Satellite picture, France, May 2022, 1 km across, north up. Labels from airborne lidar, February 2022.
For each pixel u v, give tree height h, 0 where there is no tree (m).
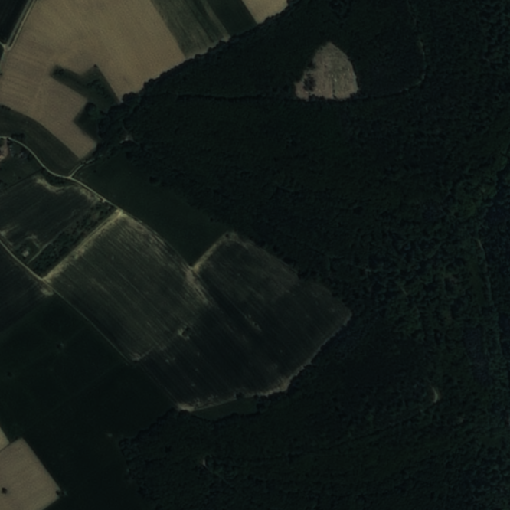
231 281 0
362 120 15
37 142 0
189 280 0
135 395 0
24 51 0
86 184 0
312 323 0
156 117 22
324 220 21
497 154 24
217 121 20
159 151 20
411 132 14
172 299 0
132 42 0
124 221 0
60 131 0
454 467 15
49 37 0
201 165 23
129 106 16
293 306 0
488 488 30
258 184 20
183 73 16
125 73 0
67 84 0
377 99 14
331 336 0
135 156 22
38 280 0
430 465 21
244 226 16
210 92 16
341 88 0
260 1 0
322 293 0
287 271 0
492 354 24
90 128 0
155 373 0
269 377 0
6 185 6
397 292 28
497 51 28
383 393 17
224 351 0
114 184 0
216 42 0
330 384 14
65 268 0
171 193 0
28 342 0
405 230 21
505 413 36
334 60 0
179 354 0
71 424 0
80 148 0
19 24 0
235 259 0
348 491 17
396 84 14
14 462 0
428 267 30
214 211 18
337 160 19
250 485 19
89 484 0
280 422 14
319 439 18
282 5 0
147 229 0
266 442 15
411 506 12
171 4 0
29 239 0
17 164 0
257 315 0
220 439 17
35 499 0
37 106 0
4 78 0
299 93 0
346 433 18
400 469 21
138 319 0
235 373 0
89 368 0
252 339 0
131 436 0
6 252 0
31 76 0
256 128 17
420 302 26
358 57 24
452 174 12
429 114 13
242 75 16
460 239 33
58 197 0
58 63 0
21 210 0
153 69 0
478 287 0
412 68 16
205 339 0
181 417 15
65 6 0
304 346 0
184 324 0
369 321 26
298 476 28
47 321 0
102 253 0
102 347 0
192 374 0
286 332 0
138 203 0
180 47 0
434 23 15
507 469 29
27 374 0
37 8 0
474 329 30
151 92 19
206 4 0
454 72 18
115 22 0
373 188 18
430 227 21
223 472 14
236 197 20
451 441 21
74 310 0
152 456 22
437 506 12
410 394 14
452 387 32
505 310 17
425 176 8
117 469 0
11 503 0
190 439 18
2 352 0
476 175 25
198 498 23
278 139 19
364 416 27
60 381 0
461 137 18
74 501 0
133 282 0
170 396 0
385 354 15
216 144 22
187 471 23
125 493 0
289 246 16
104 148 14
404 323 24
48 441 0
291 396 16
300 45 19
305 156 21
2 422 0
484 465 12
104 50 0
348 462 16
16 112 0
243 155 24
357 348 11
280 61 16
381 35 15
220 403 0
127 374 0
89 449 0
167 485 28
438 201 27
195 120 24
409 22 10
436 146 13
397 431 10
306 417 13
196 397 0
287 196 18
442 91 12
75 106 0
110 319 0
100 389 0
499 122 18
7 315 0
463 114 15
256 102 20
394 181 15
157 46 0
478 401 33
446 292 33
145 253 0
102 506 0
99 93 7
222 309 0
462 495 11
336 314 0
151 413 0
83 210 0
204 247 0
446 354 12
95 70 0
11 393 0
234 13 0
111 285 0
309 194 17
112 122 22
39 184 0
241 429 18
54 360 0
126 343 0
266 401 20
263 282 0
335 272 12
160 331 0
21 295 0
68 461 0
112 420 0
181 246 0
